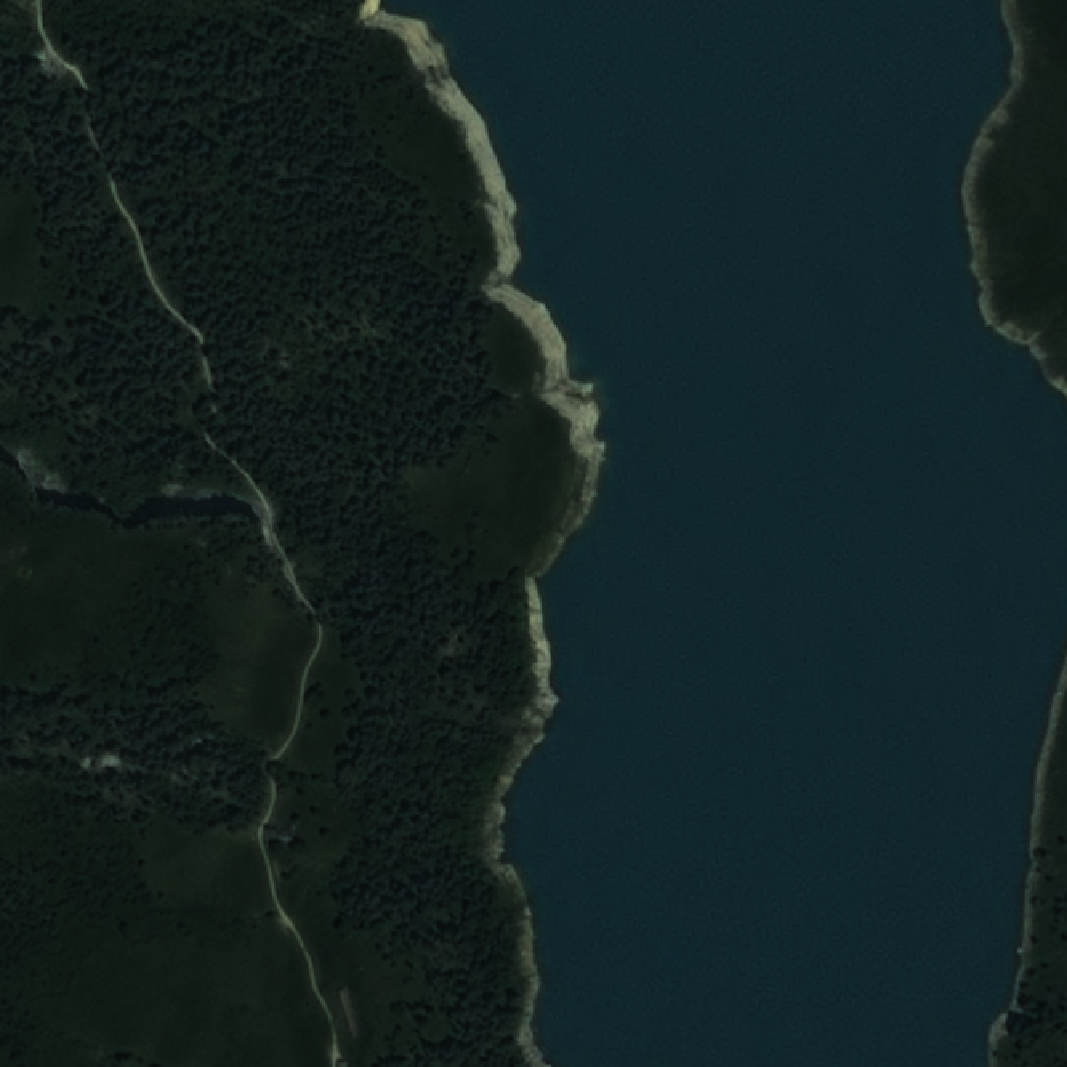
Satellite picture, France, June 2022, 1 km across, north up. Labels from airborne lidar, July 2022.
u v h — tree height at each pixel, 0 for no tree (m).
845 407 0
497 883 8
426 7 0
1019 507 0
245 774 21
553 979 0
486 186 0
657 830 0
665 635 0
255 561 16
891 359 0
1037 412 0
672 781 0
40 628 0
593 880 0
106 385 19
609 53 0
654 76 0
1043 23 0
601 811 0
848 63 0
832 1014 0
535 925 0
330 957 0
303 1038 0
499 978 26
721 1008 0
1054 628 0
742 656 0
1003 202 0
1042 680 0
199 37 18
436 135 0
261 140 11
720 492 0
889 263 0
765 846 0
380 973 0
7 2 7
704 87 0
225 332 24
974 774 0
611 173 0
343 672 0
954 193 0
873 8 0
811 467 0
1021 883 0
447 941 23
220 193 7
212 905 0
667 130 0
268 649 0
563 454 0
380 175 17
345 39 7
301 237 11
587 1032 0
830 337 0
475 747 14
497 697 22
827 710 0
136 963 0
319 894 6
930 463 0
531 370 0
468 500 0
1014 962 0
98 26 10
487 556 0
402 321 11
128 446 7
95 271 12
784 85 0
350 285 21
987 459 0
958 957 0
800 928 0
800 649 0
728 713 0
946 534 0
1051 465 0
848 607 0
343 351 9
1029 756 0
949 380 0
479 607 19
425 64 0
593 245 0
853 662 0
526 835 0
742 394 0
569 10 0
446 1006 9
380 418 29
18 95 11
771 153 0
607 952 0
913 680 0
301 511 21
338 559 15
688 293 0
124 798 25
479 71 0
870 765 0
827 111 0
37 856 6
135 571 0
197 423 6
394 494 30
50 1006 0
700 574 0
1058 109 0
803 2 0
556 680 0
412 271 16
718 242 0
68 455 9
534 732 0
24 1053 9
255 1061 0
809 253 0
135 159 6
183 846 0
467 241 0
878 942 0
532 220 0
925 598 0
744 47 0
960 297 0
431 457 27
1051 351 0
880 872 0
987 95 0
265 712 0
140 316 28
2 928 13
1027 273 0
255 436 7
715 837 0
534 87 0
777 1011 0
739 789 0
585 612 0
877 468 0
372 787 19
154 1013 0
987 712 0
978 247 0
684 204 0
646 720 0
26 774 7
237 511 50
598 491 0
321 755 0
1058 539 0
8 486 6
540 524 0
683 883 0
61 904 8
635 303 0
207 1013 0
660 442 0
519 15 0
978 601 0
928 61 0
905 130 0
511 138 0
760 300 0
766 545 0
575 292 0
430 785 30
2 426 7
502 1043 22
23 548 0
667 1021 0
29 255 0
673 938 0
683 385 0
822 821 0
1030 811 0
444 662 11
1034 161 0
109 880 8
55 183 28
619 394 0
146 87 24
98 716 25
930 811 0
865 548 0
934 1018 0
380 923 21
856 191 0
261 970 0
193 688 10
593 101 0
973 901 0
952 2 0
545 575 0
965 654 0
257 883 0
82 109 8
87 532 0
